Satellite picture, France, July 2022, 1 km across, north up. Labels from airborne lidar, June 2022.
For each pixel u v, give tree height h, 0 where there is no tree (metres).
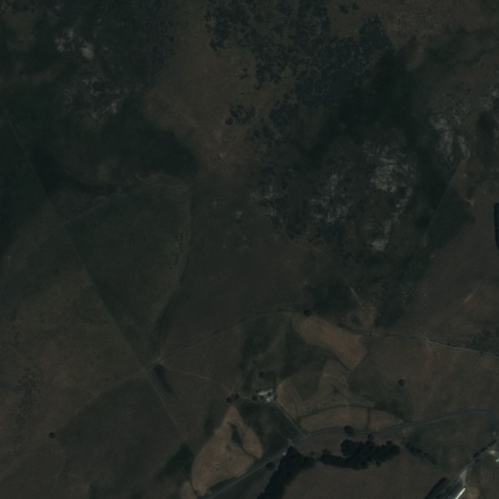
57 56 0
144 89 0
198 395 0
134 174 0
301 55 0
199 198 0
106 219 0
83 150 0
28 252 0
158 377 0
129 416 0
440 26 0
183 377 0
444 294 0
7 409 0
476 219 0
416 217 0
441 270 0
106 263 0
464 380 0
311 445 0
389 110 0
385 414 0
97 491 0
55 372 0
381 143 0
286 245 0
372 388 0
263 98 0
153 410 0
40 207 0
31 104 0
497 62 0
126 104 0
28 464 0
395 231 0
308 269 0
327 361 0
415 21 0
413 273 0
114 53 0
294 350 0
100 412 0
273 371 0
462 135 0
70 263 0
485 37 0
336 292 0
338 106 0
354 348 0
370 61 0
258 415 0
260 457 0
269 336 0
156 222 0
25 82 0
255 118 0
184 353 0
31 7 0
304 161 0
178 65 0
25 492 0
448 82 0
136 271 0
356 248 0
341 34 0
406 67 0
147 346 0
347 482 0
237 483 0
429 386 0
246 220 0
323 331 0
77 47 0
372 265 0
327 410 0
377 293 0
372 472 0
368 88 0
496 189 0
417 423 0
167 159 0
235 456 0
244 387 0
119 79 0
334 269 0
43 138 0
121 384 0
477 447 0
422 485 0
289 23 0
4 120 0
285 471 25
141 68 0
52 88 0
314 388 0
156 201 0
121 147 0
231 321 0
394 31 0
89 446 0
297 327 0
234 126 0
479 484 0
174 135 0
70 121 0
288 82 0
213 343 0
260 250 0
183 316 0
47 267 0
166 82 0
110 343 0
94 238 0
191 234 0
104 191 0
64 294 0
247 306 0
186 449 0
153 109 0
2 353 0
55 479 0
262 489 0
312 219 0
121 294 0
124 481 0
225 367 0
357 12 0
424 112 0
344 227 0
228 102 0
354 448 20
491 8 0
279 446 0
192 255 0
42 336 0
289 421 0
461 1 0
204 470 0
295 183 0
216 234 0
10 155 0
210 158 0
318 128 0
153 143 0
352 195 0
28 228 0
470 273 0
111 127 0
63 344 0
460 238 0
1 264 0
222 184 0
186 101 0
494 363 0
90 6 0
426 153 0
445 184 0
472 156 0
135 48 0
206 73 0
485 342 0
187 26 0
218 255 0
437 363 0
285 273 0
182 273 0
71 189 0
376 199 0
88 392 0
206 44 0
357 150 0
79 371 0
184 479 0
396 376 0
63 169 0
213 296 0
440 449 0
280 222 0
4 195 0
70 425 0
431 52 0
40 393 0
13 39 0
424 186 0
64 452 0
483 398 0
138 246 0
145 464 0
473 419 0
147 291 0
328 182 0
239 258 0
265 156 0
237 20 0
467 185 0
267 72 0
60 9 0
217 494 0
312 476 0
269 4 0
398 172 0
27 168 0
